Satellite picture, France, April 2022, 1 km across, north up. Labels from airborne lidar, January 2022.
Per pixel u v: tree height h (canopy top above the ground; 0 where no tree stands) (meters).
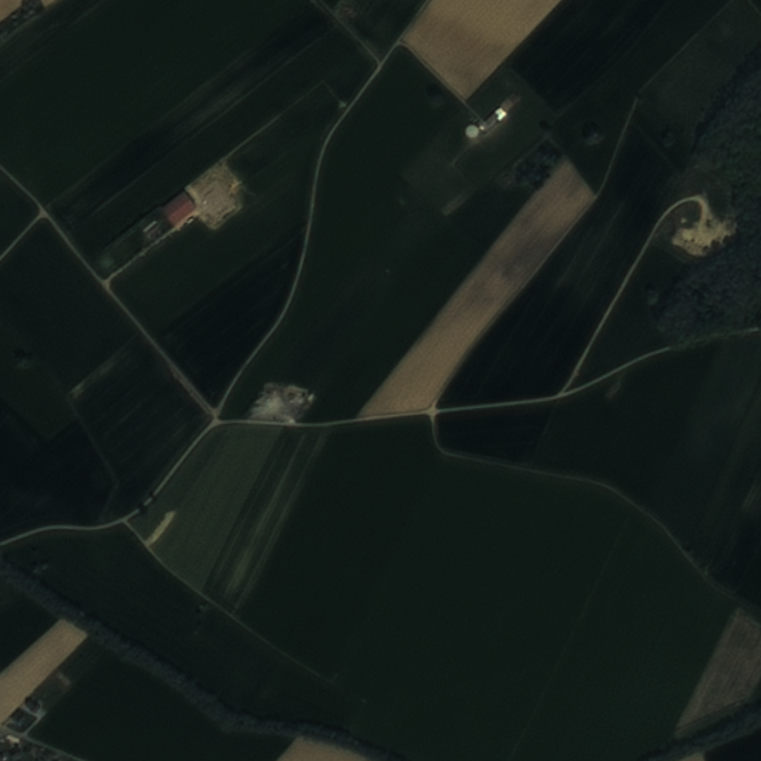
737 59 0
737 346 0
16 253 0
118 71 0
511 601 0
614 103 0
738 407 0
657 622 0
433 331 0
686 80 0
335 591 0
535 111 0
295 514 0
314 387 0
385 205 0
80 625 12
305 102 0
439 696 0
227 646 0
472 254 0
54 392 0
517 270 0
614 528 0
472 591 0
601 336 0
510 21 0
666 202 0
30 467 0
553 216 0
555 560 0
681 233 0
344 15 0
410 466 0
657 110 0
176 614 0
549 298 0
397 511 0
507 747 0
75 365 0
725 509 0
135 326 0
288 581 0
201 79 0
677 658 0
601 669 0
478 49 0
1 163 0
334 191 0
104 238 0
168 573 0
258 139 0
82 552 0
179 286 0
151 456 0
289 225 0
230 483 0
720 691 0
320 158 0
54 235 0
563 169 0
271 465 0
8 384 0
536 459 0
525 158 0
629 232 0
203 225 0
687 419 0
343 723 0
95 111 0
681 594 0
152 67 0
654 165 0
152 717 0
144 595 0
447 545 0
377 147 0
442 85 0
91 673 0
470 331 0
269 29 0
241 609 0
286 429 0
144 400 0
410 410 0
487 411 0
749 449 0
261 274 0
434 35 0
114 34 0
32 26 0
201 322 0
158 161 0
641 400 0
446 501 0
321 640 0
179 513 0
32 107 0
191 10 0
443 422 0
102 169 0
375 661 0
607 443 0
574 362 0
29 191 0
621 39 0
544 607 0
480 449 0
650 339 0
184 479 0
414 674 0
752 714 18
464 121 0
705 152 25
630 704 0
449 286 0
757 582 0
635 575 0
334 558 0
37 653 0
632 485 0
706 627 0
